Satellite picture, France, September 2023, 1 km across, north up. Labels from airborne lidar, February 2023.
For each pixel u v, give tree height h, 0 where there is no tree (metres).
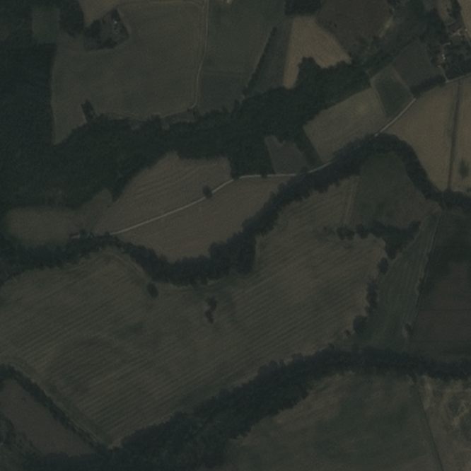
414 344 0
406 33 0
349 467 0
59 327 0
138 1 0
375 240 0
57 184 7
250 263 16
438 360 0
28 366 0
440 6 0
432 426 0
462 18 0
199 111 0
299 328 0
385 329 0
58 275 0
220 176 0
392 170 0
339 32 0
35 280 0
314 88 8
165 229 0
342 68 14
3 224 0
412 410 0
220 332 0
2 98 14
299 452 0
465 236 0
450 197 21
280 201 23
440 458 0
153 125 11
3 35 0
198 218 0
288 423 0
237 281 0
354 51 0
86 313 0
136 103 0
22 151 9
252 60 0
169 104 0
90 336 0
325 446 0
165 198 0
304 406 0
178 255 0
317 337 0
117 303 0
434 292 0
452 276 0
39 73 12
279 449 0
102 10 0
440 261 0
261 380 15
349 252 0
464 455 0
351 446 0
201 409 11
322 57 0
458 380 0
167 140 11
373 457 0
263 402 29
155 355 0
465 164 0
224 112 14
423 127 0
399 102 0
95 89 0
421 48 0
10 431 10
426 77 0
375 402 0
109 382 0
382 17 0
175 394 0
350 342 0
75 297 0
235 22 0
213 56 0
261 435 0
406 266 0
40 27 0
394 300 0
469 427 0
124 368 0
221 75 0
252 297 0
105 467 17
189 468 9
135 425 0
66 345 0
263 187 0
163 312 0
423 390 0
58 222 0
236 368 0
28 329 0
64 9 6
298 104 12
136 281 0
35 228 0
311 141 0
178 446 32
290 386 31
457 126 0
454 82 0
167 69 0
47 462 16
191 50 0
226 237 0
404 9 0
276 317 0
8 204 12
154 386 0
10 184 8
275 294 0
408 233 13
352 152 22
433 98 0
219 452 16
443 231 0
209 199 0
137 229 0
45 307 0
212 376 0
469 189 0
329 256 0
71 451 0
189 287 0
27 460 9
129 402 0
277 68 0
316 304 0
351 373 0
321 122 0
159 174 0
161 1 0
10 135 16
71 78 0
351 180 0
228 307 0
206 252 0
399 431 0
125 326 0
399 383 0
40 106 12
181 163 0
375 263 0
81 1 0
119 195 10
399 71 0
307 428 0
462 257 0
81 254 21
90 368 0
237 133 14
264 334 0
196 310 0
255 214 0
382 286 0
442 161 0
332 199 0
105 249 0
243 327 0
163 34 0
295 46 0
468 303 0
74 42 0
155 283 0
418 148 0
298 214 0
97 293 0
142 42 0
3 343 0
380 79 0
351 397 0
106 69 0
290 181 0
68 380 0
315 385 0
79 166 13
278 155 0
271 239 0
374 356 20
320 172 0
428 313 0
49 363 0
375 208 0
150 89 0
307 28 0
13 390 0
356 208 0
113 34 0
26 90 15
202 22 0
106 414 0
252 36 0
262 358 0
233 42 0
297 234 0
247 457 0
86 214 0
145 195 0
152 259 17
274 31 7
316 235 0
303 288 0
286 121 14
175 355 0
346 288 0
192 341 0
